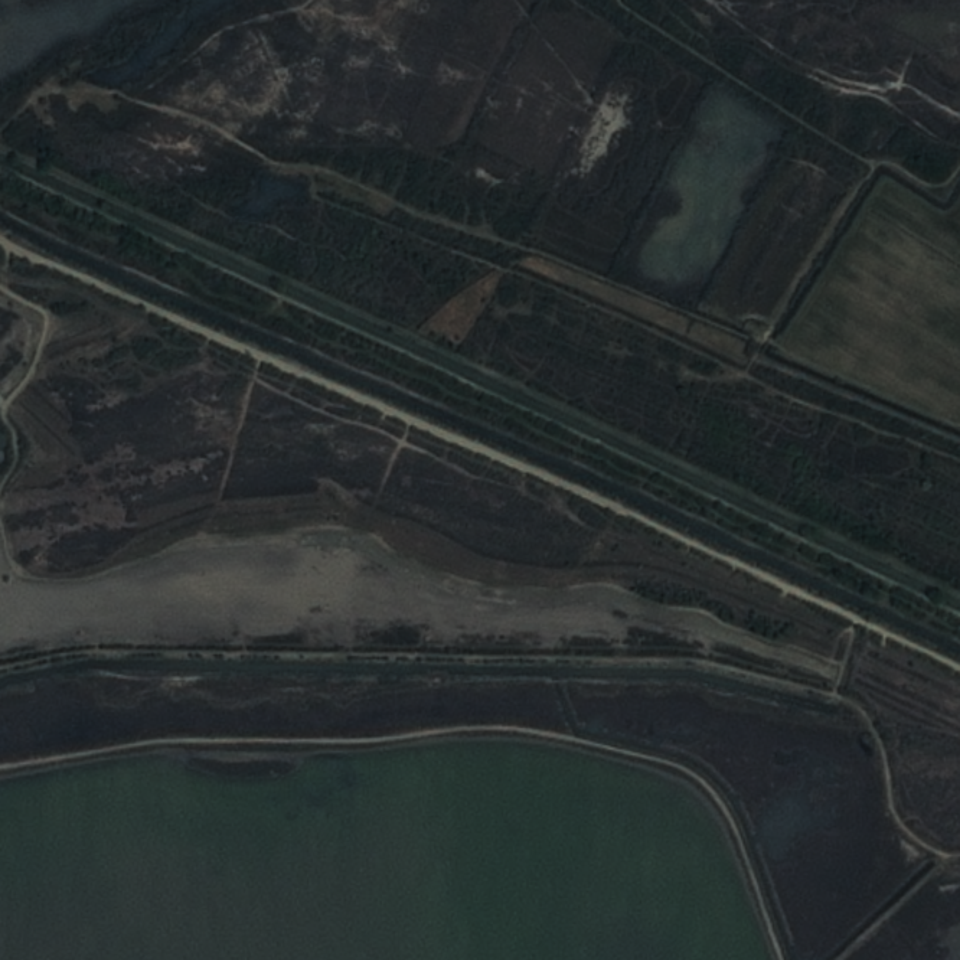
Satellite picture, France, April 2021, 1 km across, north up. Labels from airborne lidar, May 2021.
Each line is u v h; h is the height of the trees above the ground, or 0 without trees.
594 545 0
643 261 0
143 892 0
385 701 0
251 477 0
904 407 0
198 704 0
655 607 0
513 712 0
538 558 0
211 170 0
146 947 0
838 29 0
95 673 0
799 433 0
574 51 0
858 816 0
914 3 0
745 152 0
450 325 0
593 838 0
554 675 0
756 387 0
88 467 0
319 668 0
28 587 0
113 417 0
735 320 0
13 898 0
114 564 0
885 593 12
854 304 0
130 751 0
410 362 7
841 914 0
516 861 0
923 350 0
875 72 0
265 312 0
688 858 0
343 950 0
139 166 0
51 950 0
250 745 0
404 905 0
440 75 0
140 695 0
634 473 8
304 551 0
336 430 0
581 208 6
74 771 0
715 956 0
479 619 0
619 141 0
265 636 0
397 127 0
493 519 0
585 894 0
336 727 0
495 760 0
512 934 0
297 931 0
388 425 0
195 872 0
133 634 0
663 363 0
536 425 8
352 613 0
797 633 8
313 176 0
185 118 0
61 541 0
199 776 0
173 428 0
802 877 0
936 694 0
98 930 0
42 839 0
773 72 6
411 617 0
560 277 0
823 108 6
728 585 0
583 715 0
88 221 11
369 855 0
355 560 0
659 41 6
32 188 9
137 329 0
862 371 0
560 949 0
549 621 0
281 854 0
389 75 0
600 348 0
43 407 0
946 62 0
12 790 0
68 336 0
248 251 8
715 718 0
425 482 0
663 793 0
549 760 0
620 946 0
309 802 0
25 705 0
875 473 0
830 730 0
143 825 0
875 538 10
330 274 7
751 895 0
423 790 0
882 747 0
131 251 10
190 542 0
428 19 0
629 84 0
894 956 0
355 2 0
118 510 0
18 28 0
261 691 0
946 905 0
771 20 0
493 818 0
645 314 0
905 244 0
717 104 0
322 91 0
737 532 7
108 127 0
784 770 0
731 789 0
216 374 0
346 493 0
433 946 0
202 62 0
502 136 0
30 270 7
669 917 0
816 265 7
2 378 0
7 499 0
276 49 0
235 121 0
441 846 0
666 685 0
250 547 0
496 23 0
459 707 0
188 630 0
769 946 0
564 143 0
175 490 0
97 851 0
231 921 0
